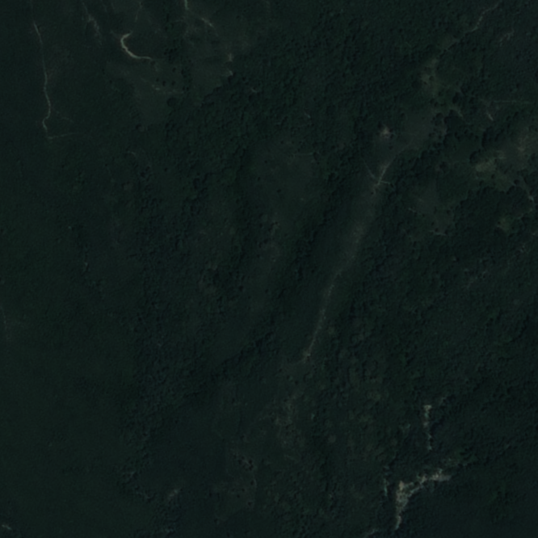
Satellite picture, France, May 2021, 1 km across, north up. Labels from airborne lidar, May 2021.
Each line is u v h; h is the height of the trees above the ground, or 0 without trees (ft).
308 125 24
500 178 0
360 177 19
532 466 19
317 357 31
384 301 54
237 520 17
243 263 37
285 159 0
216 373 45
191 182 33
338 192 45
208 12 0
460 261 58
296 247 41
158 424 75
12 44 17
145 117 0
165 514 25
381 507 52
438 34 37
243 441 32
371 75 31
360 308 29
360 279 24
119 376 25
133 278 24
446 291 62
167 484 26
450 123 64
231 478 18
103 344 26
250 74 24
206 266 35
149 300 59
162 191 18
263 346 57
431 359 47
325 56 33
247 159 47
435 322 31
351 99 48
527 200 54
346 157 78
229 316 21
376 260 59
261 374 20
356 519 19
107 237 21
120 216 19
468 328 19
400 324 73
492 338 45
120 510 20
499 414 32
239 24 0
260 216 36
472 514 19
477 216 57
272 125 58
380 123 35
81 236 33
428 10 28
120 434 21
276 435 0
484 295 27
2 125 24
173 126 37
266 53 22
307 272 39
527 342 40
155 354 38
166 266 43
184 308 28
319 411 36
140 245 38
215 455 18
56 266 19
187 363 49
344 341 39
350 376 44
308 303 18
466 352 45
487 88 28
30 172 18
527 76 20
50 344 18
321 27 34
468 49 34
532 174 22
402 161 38
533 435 41
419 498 26
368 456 30
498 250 49
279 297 62
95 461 21
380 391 33
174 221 29
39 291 18
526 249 21
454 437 38
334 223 28
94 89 17
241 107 43
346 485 35
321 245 22
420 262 51
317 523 48
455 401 49
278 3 38
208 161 29
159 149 18
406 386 56
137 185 33
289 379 31
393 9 22
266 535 18
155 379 39
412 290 47
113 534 17
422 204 0
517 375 42
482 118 18
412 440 47
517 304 31
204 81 0
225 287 86
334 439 44
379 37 37
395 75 74
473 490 35
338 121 30
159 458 20
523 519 23
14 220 19
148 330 47
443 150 69
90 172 21
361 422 24
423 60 51
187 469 20
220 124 32
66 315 20
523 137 0
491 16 20
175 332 38
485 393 18
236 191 38
